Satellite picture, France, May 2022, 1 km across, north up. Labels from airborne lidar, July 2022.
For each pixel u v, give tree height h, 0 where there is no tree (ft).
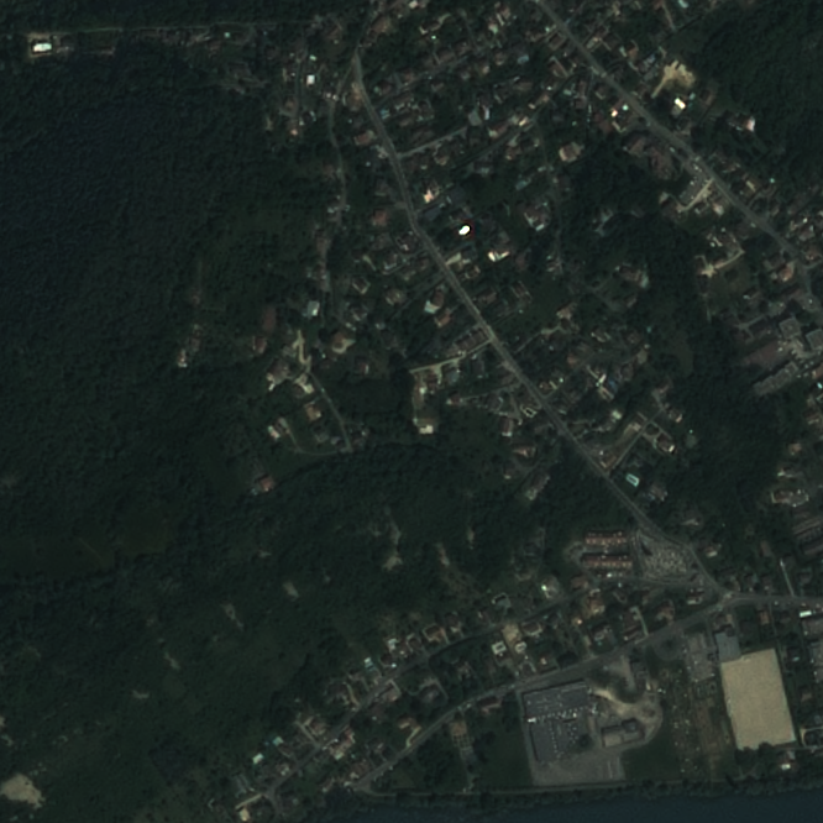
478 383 25
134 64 76
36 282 53
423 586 23
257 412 38
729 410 42
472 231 29
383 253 19
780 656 0
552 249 50
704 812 0
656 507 51
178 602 47
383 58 27
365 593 35
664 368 48
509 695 26
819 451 42
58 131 68
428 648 31
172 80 63
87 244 54
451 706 39
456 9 46
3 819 24
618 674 0
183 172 61
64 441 55
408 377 72
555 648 32
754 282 21
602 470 0
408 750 0
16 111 69
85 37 37
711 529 20
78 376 38
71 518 52
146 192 65
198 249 43
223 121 25
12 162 63
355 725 25
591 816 0
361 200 0
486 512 44
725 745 0
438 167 18
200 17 51
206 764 56
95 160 78
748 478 25
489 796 37
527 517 68
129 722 23
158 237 79
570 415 45
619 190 95
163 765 46
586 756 0
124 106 67
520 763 0
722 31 32
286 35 22
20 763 21
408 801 46
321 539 66
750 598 0
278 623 24
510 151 0
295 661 0
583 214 28
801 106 32
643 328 40
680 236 59
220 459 0
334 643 38
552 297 0
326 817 39
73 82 88
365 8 31
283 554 33
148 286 64
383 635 17
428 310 0
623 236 47
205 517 59
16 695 25
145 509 56
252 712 20
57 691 41
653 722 0
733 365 67
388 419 34
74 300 58
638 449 20
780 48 21
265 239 30
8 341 49
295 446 0
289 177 64
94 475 71
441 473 63
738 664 0
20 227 73
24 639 20
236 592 29
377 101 21
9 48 27
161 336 72
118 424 58
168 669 24
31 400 33
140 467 77
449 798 43
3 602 77
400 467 27
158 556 27
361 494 31
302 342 0
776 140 54
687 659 0
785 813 0
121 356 77
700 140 62
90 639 70
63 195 73
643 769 0
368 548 35
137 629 52
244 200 52
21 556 0
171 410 80
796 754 20
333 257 51
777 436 35
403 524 24
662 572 0
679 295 48
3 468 40
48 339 45
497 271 20
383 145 0
